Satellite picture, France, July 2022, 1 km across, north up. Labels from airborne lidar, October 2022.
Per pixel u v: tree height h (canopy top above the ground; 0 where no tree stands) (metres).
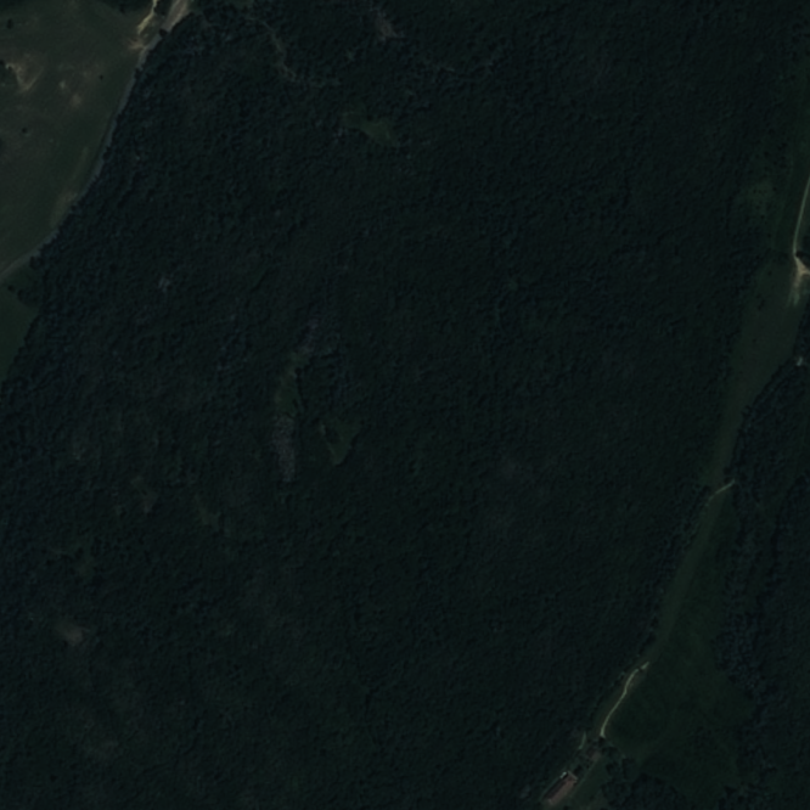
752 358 0
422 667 11
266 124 10
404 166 12
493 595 12
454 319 16
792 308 0
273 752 6
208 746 10
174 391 9
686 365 19
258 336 8
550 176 18
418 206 19
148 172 17
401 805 12
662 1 15
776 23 26
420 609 17
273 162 17
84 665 6
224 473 13
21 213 0
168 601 7
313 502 17
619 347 9
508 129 12
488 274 16
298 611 9
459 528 11
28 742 8
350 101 10
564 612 14
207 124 10
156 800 13
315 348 25
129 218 16
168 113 11
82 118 0
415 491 10
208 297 13
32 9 0
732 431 0
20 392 20
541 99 9
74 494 15
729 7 18
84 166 0
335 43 13
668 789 23
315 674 8
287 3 11
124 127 13
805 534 14
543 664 12
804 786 13
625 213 7
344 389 25
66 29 0
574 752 12
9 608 6
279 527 12
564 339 9
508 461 6
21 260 0
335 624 16
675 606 0
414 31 11
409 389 15
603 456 10
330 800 12
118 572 16
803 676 8
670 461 17
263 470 9
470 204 16
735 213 13
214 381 21
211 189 7
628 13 15
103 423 8
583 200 17
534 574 13
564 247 19
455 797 13
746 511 19
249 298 11
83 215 9
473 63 13
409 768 12
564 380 16
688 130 14
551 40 7
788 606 11
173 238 14
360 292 11
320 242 6
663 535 16
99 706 14
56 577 11
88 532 19
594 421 13
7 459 12
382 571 15
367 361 16
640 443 14
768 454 11
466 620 11
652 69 20
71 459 7
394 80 11
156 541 12
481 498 12
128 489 13
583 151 18
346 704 11
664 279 16
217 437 16
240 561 9
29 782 7
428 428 16
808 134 0
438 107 12
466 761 10
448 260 19
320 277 11
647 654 14
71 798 10
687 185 12
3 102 0
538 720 12
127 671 8
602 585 12
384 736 14
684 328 17
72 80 0
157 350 10
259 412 17
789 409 16
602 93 10
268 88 11
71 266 16
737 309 14
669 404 11
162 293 18
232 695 7
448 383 17
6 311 0
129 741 7
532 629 10
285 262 11
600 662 19
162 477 9
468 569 12
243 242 11
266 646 9
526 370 14
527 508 9
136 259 18
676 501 17
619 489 17
